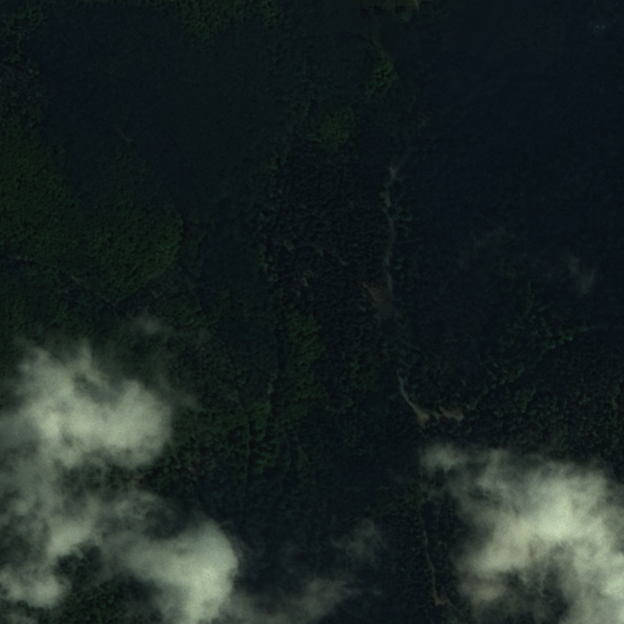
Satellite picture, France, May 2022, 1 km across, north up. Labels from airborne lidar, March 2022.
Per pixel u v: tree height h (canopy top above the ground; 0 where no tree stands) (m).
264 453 34
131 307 19
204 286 26
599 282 34
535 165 36
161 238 23
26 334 19
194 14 25
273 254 32
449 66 33
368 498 16
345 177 29
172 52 26
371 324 35
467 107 17
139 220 23
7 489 17
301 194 30
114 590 7
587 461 34
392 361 28
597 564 36
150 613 7
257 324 21
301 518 33
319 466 22
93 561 11
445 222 29
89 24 28
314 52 27
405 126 26
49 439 19
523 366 22
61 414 21
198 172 24
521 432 32
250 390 25
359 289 26
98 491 11
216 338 20
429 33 11
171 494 27
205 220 20
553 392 24
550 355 13
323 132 27
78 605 7
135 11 20
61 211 21
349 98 29
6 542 13
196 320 20
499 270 32
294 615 8
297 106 24
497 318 30
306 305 25
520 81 36
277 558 38
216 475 32
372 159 39
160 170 23
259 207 20
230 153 25
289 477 16
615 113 34
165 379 20
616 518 30
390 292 0
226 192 26
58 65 15
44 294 19
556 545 27
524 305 35
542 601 25
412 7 0
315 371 32
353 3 0
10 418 21
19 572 12
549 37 23
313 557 27
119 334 20
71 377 23
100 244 22
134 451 27
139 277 19
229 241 23
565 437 29
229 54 27
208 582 17
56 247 22
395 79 28
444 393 13
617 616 27
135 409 23
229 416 20
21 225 16
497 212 32
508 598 29
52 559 16
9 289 18
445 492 36
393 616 15
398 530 16
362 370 24
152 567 31
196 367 20
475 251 37
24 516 16
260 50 27
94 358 22
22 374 17
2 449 20
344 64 23
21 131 18
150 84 23
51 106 23
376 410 21
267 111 25
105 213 22
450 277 32
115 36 22
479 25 0
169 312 17
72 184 18
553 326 34
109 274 21
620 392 30
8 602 17
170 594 15
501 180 26
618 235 34
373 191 27
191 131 21
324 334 32
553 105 35
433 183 39
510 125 6
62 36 27
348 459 21
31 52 17
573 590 29
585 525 27
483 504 29
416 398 9
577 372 26
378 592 23
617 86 32
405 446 17
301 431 18
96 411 20
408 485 17
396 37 0
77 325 22
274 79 29
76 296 21
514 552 27
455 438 32
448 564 12
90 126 20
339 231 35
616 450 31
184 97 23
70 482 14
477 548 9
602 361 28
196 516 35
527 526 37
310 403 19
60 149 18
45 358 20
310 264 31
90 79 23
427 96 32
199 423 21
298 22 29
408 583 20
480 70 31
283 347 28
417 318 37
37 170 21
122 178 23
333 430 19
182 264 23
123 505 9
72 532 12
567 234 24
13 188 18
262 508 33
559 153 34
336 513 12
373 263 33
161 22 24
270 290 29
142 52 25
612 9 0
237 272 27
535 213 34
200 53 24
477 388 19
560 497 20
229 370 24
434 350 8
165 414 19
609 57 37
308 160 30
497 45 24
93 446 18
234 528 15
